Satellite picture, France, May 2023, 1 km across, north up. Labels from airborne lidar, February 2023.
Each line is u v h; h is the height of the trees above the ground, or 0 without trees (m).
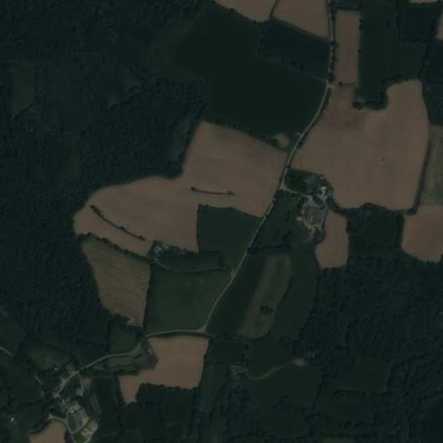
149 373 0
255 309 0
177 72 0
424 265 9
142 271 0
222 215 0
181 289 0
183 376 0
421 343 15
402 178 0
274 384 0
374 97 0
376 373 0
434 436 0
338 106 0
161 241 0
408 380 15
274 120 0
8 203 17
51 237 11
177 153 0
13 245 12
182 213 0
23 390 0
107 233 0
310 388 0
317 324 19
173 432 0
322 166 0
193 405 15
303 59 0
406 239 0
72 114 0
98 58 0
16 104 0
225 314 0
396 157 0
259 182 0
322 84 0
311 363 18
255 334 0
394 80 12
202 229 0
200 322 0
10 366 0
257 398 0
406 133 0
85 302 14
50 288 13
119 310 0
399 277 16
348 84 0
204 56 0
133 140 10
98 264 0
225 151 0
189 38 0
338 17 0
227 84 0
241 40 0
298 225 0
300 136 0
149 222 0
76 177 0
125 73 0
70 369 0
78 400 14
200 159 0
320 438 14
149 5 9
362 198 0
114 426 0
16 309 18
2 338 0
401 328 16
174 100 7
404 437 11
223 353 0
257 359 0
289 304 0
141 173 8
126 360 0
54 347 8
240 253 0
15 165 18
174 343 0
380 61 0
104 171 9
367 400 17
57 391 0
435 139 0
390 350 14
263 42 10
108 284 0
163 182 0
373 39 0
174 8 13
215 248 0
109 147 12
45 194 9
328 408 0
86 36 14
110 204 0
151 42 6
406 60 0
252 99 0
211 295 0
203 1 16
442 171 0
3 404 0
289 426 0
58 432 0
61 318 12
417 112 0
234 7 0
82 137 8
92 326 10
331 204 12
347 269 6
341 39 0
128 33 0
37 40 16
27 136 9
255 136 11
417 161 0
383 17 0
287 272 0
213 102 0
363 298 26
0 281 18
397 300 8
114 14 0
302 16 0
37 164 14
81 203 14
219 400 12
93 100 8
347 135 0
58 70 0
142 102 20
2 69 13
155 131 12
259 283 0
